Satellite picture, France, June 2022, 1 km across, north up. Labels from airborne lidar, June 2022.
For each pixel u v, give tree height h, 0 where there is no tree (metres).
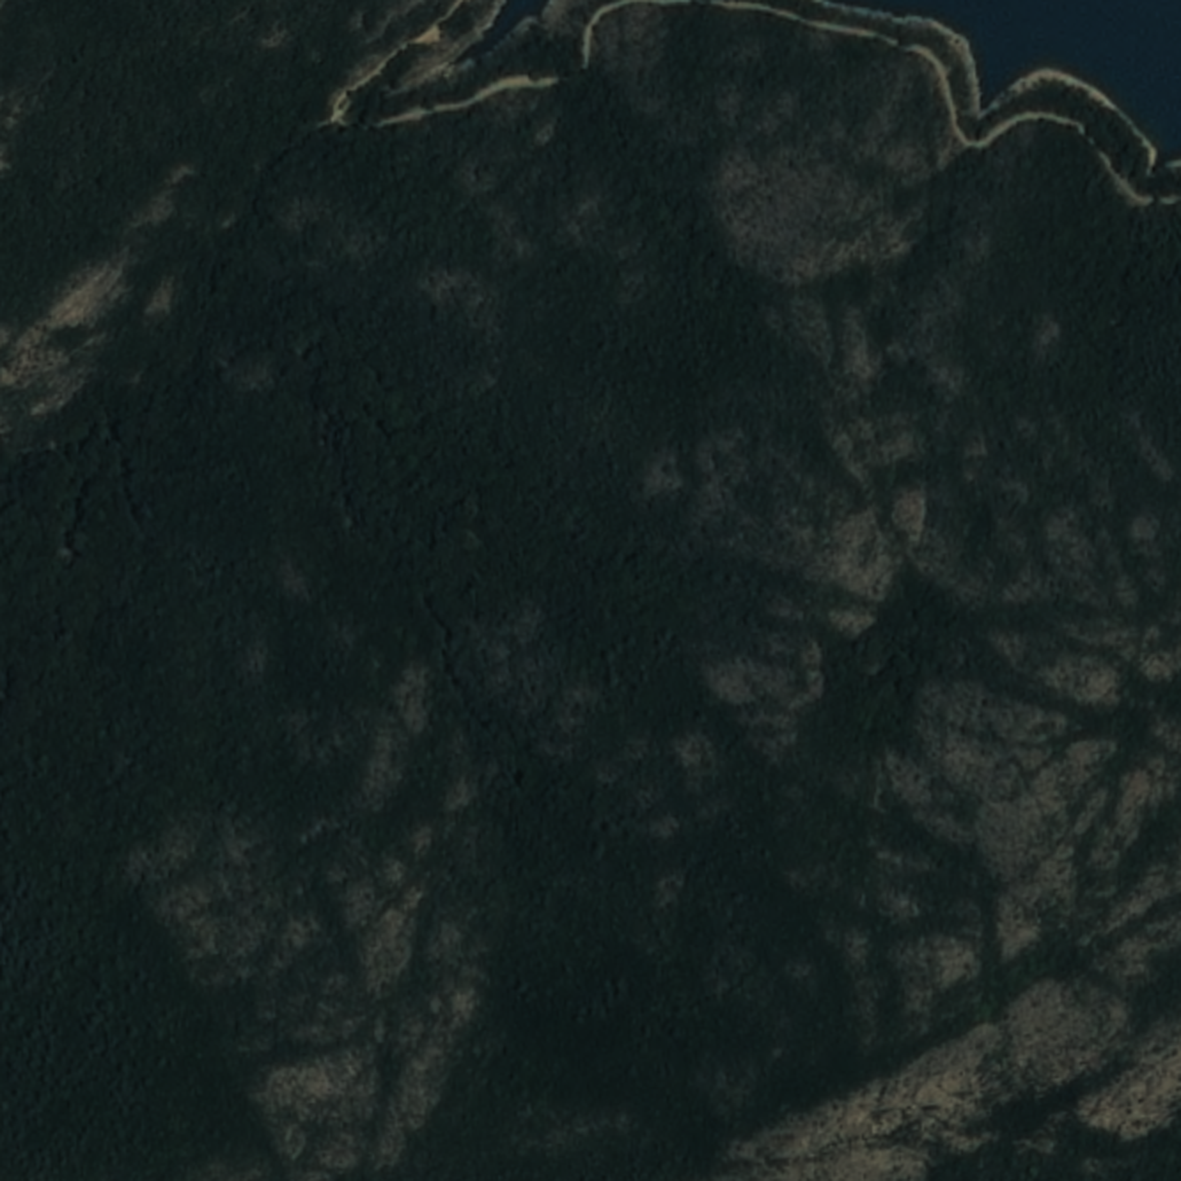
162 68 12
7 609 13
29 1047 5
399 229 6
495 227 6
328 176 7
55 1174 8
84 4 8
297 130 10
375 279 7
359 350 17
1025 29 0
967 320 6
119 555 13
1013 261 9
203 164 6
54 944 11
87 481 19
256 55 10
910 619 10
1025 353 6
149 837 6
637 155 7
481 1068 7
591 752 8
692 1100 7
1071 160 8
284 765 8
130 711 9
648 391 8
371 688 6
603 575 15
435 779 9
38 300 6
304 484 10
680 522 6
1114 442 8
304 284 6
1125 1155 6
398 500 14
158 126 9
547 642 6
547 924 6
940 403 5
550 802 13
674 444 7
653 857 10
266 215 6
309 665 7
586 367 11
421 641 10
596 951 6
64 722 16
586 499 7
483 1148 6
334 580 9
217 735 9
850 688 11
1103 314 13
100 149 13
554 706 7
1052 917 7
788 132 6
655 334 7
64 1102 6
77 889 12
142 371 7
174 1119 8
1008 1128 7
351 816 7
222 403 10
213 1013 6
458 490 13
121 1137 8
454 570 17
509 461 8
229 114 8
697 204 9
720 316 12
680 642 15
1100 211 11
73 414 16
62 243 10
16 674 18
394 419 19
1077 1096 9
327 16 7
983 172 8
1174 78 0
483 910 7
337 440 16
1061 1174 6
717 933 7
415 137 5
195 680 6
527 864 8
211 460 9
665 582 13
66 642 27
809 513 6
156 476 9
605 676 6
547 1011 8
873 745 6
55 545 17
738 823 6
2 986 12
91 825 17
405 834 6
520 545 16
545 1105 6
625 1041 5
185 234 5
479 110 6
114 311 6
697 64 8
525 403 6
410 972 8
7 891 9
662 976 11
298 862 7
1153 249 10
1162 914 8
